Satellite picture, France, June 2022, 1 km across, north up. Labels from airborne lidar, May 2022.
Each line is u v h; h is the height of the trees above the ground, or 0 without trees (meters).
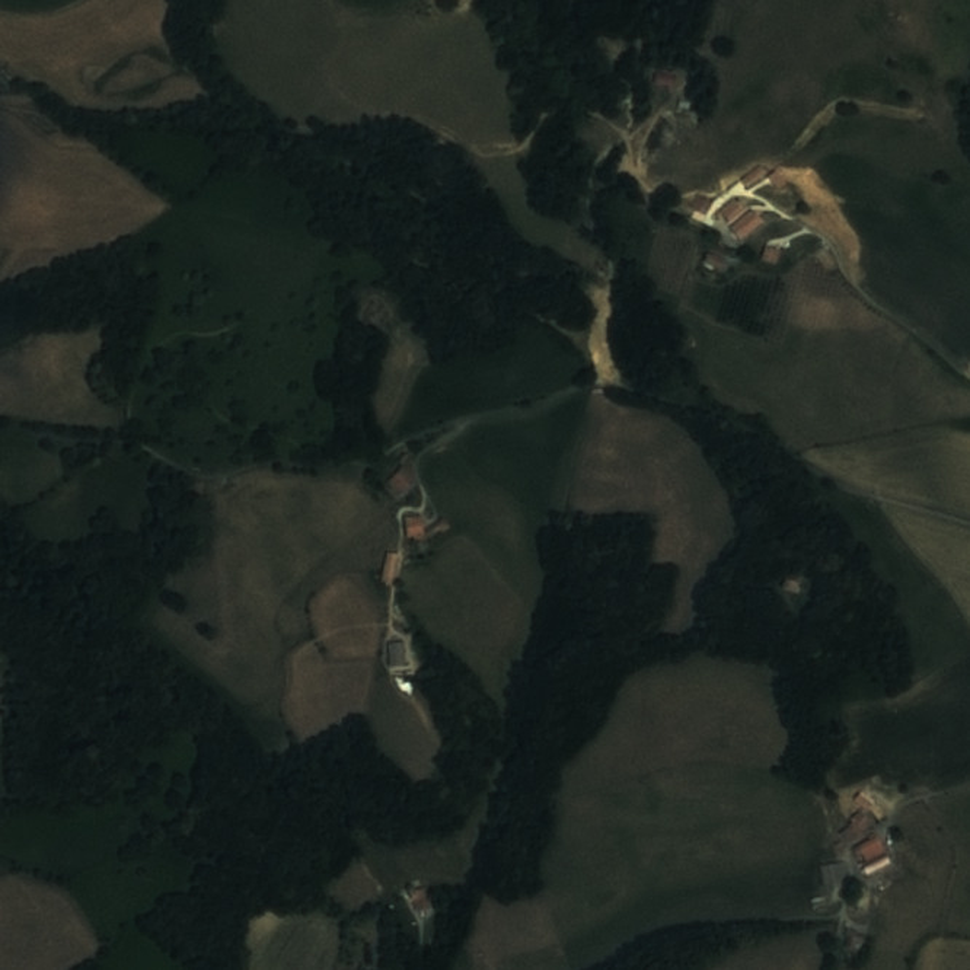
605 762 0
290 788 33
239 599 0
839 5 0
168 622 0
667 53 23
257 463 11
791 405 0
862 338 0
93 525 12
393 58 0
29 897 0
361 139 14
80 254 10
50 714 25
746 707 0
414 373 0
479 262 26
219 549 0
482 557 0
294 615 0
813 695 23
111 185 0
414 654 0
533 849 19
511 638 0
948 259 0
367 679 0
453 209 27
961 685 0
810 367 0
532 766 23
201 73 18
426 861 0
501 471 0
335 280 14
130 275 13
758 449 31
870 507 0
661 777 0
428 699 9
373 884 0
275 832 25
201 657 0
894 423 0
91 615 31
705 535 0
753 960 0
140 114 18
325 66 0
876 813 0
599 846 0
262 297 0
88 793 23
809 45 0
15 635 26
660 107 0
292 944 0
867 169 0
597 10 26
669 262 0
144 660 27
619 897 0
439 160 24
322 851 26
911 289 0
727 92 0
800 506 23
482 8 17
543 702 27
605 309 0
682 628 0
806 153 0
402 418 0
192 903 16
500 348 22
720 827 0
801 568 21
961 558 0
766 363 0
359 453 26
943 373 0
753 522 23
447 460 0
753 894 0
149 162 0
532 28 25
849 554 24
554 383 0
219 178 7
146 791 14
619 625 26
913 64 0
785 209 0
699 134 0
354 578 0
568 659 21
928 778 0
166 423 14
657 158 0
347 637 0
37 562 20
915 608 0
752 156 0
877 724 0
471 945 0
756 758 0
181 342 0
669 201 22
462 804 21
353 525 0
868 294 0
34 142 0
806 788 12
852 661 15
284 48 0
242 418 11
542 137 11
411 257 19
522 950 0
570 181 24
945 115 0
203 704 23
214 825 20
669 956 17
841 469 0
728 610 17
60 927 0
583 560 24
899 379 0
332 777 16
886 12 0
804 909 0
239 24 0
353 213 29
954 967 0
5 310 11
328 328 0
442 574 0
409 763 0
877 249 0
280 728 0
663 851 0
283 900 22
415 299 24
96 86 0
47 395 0
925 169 0
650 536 19
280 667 0
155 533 22
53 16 0
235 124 23
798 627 19
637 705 0
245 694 0
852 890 20
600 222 26
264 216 0
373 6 0
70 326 25
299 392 14
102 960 9
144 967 0
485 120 0
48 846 0
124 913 0
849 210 0
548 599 12
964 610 0
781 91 0
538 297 24
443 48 0
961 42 0
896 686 16
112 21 0
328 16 0
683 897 0
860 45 0
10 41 0
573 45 17
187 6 16
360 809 25
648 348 15
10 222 0
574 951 0
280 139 23
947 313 0
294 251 0
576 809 0
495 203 11
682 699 0
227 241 0
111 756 22
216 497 0
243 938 26
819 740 22
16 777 24
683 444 0
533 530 0
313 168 20
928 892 0
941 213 0
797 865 0
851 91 0
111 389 19
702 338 0
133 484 0
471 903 18
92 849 0
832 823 0
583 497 0
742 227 0
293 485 0
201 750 16
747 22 0
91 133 10
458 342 25
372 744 10
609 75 14
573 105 26
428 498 0
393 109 0
